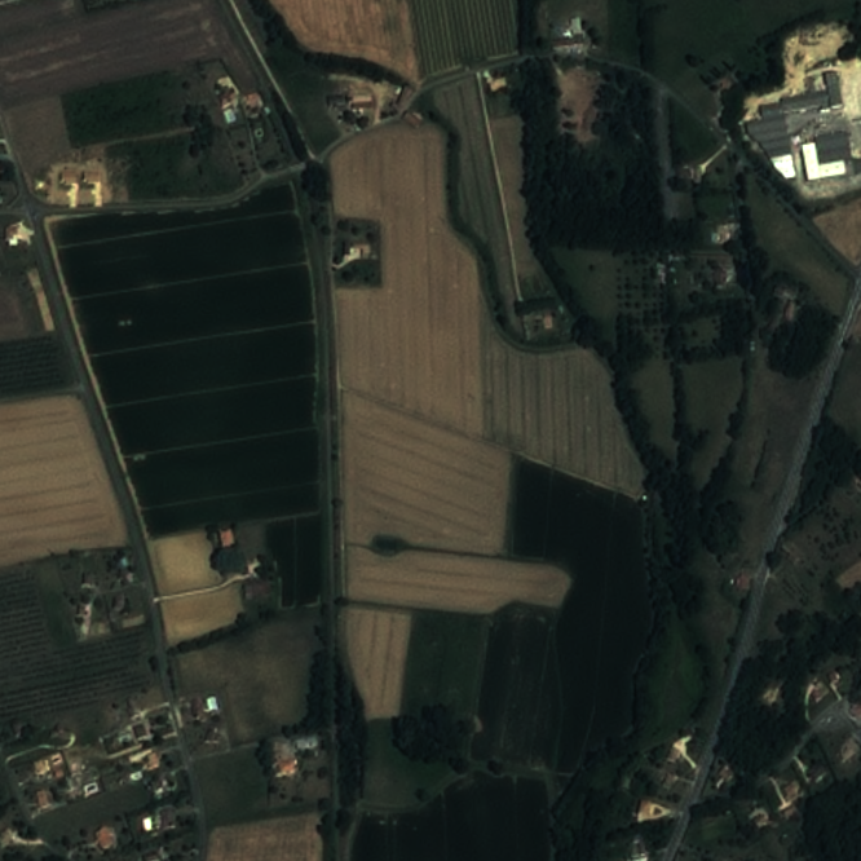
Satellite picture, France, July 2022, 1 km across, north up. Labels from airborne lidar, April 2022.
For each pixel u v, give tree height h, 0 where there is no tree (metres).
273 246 0
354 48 0
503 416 0
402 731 21
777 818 8
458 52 0
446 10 0
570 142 14
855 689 7
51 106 0
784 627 10
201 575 0
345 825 13
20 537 0
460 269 0
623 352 13
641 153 7
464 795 0
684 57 0
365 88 0
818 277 0
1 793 0
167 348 0
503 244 0
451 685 0
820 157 0
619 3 0
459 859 0
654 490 20
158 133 0
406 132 0
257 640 0
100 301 0
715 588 0
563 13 0
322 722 20
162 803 9
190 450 0
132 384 0
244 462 0
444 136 0
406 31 0
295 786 0
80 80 0
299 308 0
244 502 0
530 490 0
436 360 0
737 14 0
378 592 0
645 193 24
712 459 0
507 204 0
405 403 0
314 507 0
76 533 0
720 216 0
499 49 0
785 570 0
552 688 0
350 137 0
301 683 0
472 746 0
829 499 9
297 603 0
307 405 0
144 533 0
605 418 0
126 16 0
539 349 0
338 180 0
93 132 0
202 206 0
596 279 0
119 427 0
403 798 0
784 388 0
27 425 0
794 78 0
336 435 0
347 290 0
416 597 0
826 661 19
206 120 12
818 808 13
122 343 0
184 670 0
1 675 0
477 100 0
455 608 0
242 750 0
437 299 0
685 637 0
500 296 0
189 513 0
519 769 0
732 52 0
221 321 0
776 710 6
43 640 0
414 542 0
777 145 0
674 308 10
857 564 0
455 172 0
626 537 0
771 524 0
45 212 0
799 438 0
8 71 0
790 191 15
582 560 0
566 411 0
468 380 0
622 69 10
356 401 0
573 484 0
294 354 0
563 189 26
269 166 11
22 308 0
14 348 0
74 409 0
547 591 0
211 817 0
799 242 0
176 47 0
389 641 0
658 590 19
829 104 0
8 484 0
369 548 0
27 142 0
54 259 0
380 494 0
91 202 0
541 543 0
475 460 0
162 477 0
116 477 0
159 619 0
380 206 0
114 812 0
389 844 0
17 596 0
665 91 0
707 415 0
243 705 0
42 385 0
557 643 0
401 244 0
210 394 0
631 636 0
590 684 0
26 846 0
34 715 0
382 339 0
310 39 0
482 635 0
